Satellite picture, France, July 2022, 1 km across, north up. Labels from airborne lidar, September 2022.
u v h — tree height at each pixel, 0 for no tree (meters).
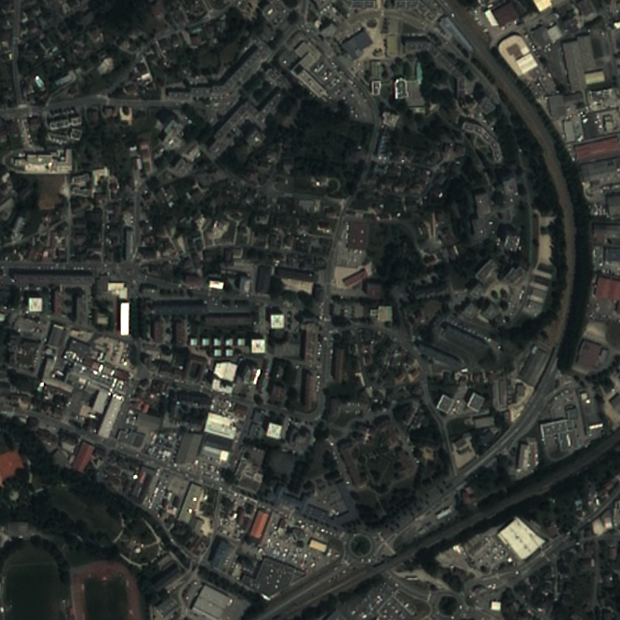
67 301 7
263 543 0
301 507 0
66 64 9
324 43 0
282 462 0
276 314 0
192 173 0
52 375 0
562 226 16
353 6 0
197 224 7
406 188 6
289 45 0
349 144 20
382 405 12
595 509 0
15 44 0
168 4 7
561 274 17
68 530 17
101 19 10
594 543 5
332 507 0
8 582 0
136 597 0
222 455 0
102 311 6
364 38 0
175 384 8
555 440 0
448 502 0
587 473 13
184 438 0
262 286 0
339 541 0
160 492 0
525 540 0
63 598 0
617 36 0
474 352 0
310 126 11
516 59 0
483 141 0
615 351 0
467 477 0
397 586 0
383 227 8
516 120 12
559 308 8
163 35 0
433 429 7
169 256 0
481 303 15
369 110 0
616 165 0
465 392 0
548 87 0
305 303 20
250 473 0
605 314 0
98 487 19
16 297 17
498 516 9
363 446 0
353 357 7
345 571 0
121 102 0
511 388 0
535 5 11
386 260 15
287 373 10
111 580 0
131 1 8
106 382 0
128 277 0
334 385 0
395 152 6
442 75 18
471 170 14
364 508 14
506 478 18
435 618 0
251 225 8
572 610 7
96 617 0
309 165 9
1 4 6
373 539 0
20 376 9
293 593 0
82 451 0
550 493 9
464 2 6
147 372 0
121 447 0
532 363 0
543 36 0
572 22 0
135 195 0
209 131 15
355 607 0
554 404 0
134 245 0
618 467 6
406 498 10
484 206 0
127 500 15
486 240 7
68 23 11
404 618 0
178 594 0
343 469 0
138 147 9
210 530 0
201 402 0
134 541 0
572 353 15
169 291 7
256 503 0
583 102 10
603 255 0
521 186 15
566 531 13
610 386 10
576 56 0
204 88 0
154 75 10
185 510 0
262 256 13
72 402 0
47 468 19
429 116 0
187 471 0
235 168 13
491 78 12
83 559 0
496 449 0
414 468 0
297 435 0
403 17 0
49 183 0
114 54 12
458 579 10
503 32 0
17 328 0
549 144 0
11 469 0
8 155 0
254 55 0
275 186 0
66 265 0
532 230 0
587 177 0
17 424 21
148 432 0
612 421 0
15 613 0
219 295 0
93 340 0
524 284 0
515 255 17
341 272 0
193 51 10
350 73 0
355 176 9
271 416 11
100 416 0
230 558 0
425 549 11
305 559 0
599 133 0
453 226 7
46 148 8
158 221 7
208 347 6
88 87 7
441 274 8
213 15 0
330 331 0
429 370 0
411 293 17
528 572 0
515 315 0
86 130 6
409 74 10
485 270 0
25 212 13
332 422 0
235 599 0
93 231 15
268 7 0
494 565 0
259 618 0
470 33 0
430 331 14
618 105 0
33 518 8
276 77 0
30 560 0
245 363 0
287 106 21
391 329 0
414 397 6
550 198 20
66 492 0
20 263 0
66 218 0
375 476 12
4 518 27
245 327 10
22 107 0
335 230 0
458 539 8
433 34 12
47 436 0
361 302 10
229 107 0
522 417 0
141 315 12
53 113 8
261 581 0
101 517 0
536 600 6
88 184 7
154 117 0
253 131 0
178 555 9
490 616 0
